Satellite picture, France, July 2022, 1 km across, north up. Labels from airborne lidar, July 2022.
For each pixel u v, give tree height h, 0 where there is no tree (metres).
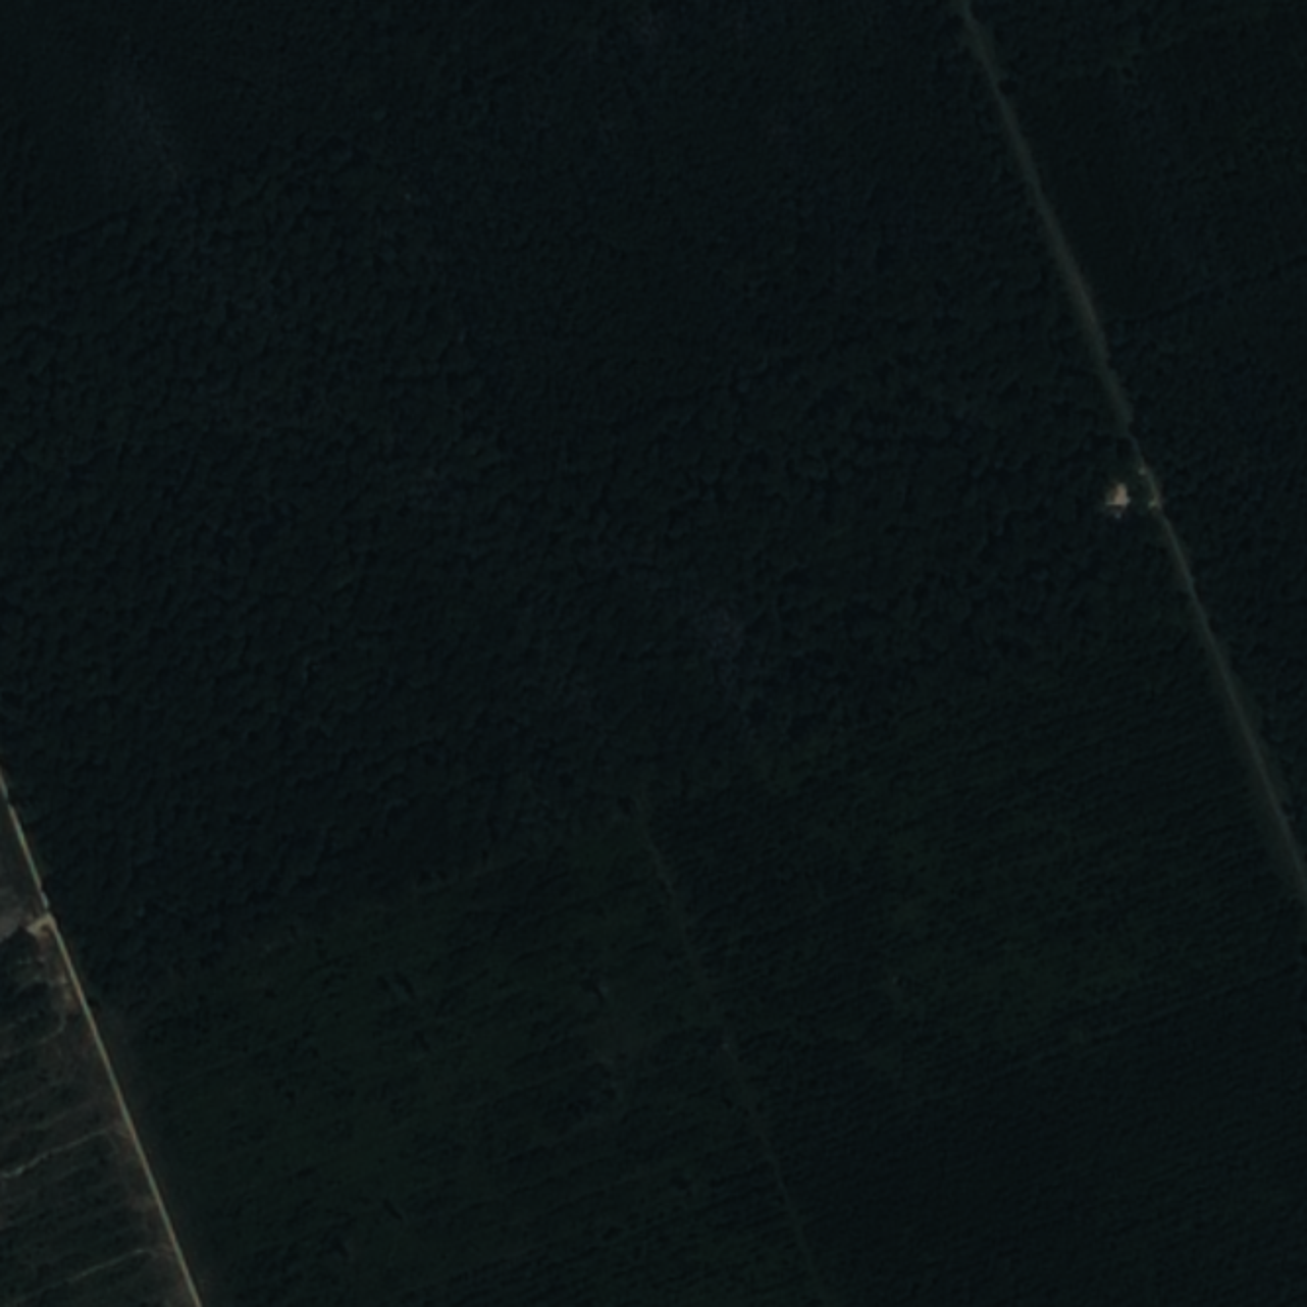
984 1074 6
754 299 20
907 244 25
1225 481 20
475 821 24
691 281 21
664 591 27
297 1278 7
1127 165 10
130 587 27
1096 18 23
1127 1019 8
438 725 25
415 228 25
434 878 20
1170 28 26
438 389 24
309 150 15
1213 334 14
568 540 22
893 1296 8
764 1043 7
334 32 18
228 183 22
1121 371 20
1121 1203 6
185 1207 0
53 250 20
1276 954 8
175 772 16
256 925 27
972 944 5
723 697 25
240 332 23
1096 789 7
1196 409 19
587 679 23
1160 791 6
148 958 23
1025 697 7
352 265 27
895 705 6
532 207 21
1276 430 21
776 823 7
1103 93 10
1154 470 20
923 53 20
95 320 22
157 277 22
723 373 18
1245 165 9
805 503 27
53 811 23
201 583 22
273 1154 0
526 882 8
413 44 24
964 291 22
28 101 16
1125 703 7
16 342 24
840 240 23
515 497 22
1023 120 7
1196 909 6
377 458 27
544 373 15
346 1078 6
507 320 15
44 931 0
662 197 17
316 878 25
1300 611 19
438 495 27
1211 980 7
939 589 23
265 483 19
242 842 26
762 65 15
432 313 28
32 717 25
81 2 16
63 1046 0
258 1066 6
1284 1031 9
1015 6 21
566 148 20
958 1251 8
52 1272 7
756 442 18
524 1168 9
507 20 17
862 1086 9
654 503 26
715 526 26
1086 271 9
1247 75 8
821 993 5
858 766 6
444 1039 7
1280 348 15
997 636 8
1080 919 6
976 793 6
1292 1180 6
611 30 23
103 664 25
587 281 17
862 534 21
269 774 25
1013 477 28
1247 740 0
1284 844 0
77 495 21
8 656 24
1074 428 26
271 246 25
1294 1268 10
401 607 22
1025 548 21
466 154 21
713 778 18
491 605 22
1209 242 9
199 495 17
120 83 17
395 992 25
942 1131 8
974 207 20
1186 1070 7
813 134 22
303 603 25
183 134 15
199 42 14
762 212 22
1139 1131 7
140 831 24
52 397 23
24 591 27
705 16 19
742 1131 8
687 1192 23
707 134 17
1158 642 8
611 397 20
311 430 19
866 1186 10
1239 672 17
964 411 26
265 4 18
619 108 20
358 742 24
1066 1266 7
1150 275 11
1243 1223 6
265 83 15
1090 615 28
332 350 21
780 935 6
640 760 27
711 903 6
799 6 21
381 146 19
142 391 21
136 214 23
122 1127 0
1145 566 24
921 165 19
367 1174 0
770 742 23
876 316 23
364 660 23
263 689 25
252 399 24
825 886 8
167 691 23
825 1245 6
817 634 24
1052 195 10
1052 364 27
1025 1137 9
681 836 9
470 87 22
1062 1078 8
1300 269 13
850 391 30
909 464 23
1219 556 21
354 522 24
